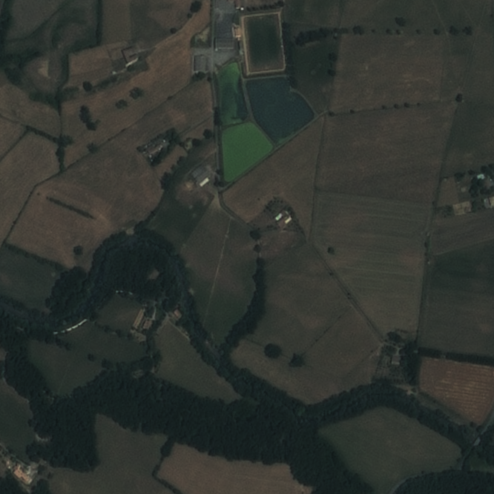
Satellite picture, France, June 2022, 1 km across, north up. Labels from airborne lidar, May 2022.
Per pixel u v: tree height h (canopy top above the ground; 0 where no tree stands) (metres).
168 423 22
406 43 0
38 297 0
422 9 0
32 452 19
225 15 0
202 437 20
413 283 0
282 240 0
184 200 0
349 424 0
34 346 0
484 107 0
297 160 0
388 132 0
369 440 0
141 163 0
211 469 0
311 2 0
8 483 19
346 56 0
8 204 0
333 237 0
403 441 0
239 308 0
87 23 0
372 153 0
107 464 0
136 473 0
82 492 0
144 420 22
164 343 0
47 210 0
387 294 0
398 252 0
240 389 25
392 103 0
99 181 0
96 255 15
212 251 0
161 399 26
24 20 0
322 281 0
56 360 0
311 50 0
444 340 0
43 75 0
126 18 0
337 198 0
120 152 0
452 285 0
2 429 0
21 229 0
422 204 0
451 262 0
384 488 0
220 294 0
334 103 0
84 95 0
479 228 0
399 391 13
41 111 0
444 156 0
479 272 0
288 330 0
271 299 0
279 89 0
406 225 0
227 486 0
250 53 0
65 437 25
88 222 0
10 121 0
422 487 14
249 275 0
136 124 0
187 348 0
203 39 0
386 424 0
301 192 0
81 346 0
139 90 23
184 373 0
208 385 0
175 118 0
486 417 0
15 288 0
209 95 0
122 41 0
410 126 0
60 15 0
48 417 32
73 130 0
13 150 0
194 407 24
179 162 8
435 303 0
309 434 21
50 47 0
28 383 30
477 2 0
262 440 28
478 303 0
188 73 0
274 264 0
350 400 17
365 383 0
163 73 0
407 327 0
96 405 22
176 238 0
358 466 0
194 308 19
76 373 0
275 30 0
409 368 10
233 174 0
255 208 0
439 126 0
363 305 0
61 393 0
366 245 0
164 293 14
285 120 0
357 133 0
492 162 0
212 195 0
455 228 0
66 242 0
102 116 0
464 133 0
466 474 20
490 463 18
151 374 22
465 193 0
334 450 6
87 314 19
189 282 10
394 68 0
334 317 0
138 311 0
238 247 0
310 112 0
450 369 0
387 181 0
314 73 0
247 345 0
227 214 0
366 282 0
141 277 31
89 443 23
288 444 28
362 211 0
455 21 0
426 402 0
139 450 0
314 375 0
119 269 22
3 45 12
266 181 0
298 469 18
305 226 0
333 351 0
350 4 0
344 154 0
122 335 22
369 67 0
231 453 22
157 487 0
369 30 0
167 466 0
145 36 0
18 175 0
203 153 0
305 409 17
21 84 0
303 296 0
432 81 0
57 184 0
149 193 0
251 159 0
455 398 0
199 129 0
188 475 0
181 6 0
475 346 0
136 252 22
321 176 0
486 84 0
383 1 0
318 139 0
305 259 0
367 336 0
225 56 0
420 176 0
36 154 0
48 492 15
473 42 0
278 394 18
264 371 0
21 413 0
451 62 0
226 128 0
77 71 0
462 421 0
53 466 19
